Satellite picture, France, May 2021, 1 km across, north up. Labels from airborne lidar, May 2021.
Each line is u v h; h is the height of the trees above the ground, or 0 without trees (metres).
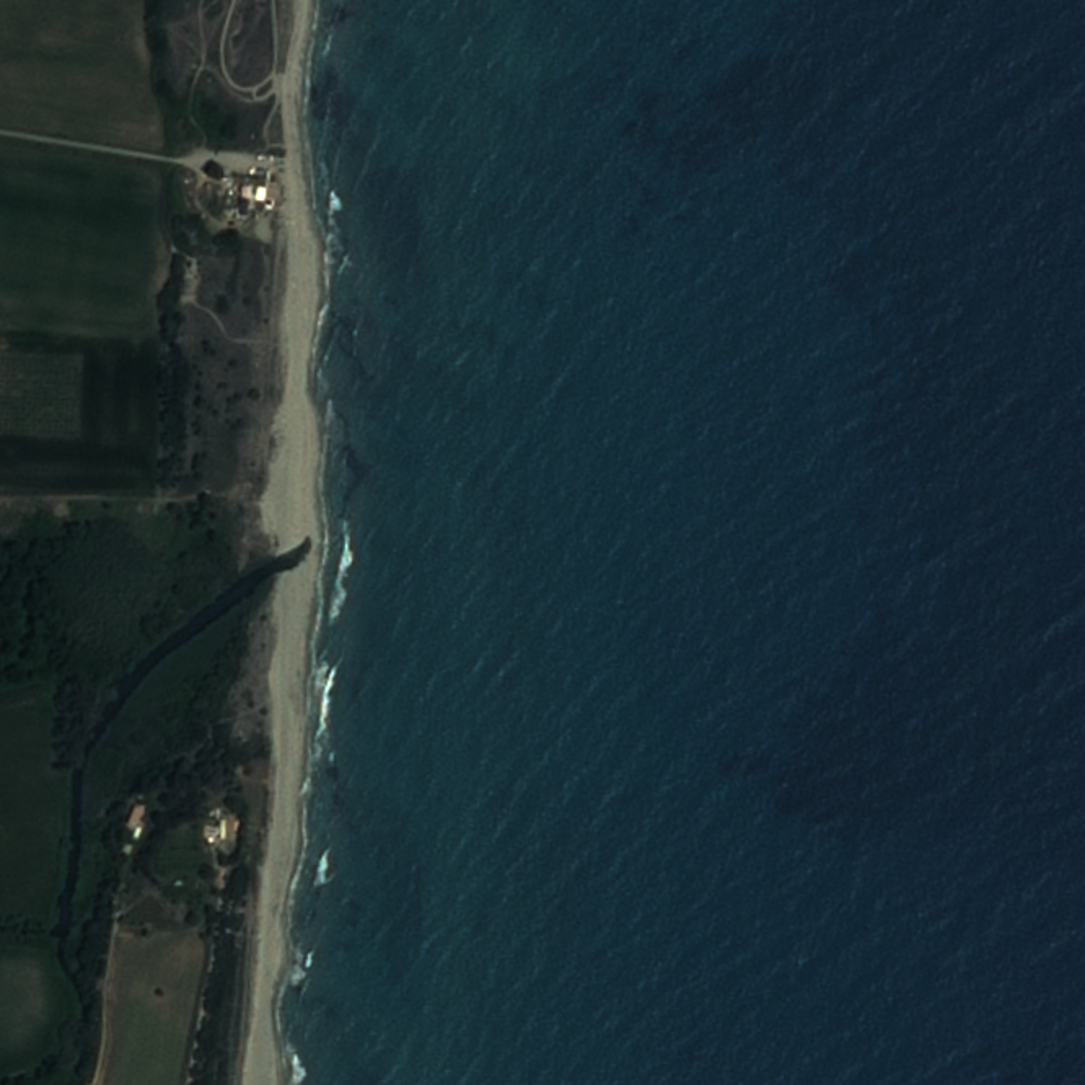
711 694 0
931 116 0
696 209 0
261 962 0
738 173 0
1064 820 0
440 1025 0
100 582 6
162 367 6
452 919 0
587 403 0
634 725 0
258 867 0
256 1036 0
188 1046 0
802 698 0
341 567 0
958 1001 0
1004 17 0
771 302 0
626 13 0
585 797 0
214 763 9
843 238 0
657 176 0
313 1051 0
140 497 0
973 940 0
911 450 0
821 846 0
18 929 8
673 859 0
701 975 0
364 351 0
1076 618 0
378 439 0
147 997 0
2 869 0
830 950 0
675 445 0
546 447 0
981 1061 0
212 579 7
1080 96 0
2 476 0
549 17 0
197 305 0
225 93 0
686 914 0
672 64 0
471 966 0
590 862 0
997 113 0
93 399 0
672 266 0
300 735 0
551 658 0
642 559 0
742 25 0
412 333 0
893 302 0
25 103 0
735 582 0
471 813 0
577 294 0
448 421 0
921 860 0
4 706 6
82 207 0
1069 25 0
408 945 0
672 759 0
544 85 0
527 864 0
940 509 0
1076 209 0
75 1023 6
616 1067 0
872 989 0
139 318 0
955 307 0
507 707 0
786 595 0
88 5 0
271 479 0
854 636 0
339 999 0
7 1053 0
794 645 0
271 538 0
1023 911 0
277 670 0
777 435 0
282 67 0
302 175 0
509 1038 0
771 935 0
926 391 0
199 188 0
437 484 0
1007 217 0
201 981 0
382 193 0
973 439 0
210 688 10
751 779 0
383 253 0
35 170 0
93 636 9
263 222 0
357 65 0
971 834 0
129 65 0
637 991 0
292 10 0
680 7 0
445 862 0
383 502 0
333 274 0
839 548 0
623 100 0
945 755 0
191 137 0
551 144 0
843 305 0
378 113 0
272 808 0
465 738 0
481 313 0
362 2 0
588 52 0
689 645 0
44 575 10
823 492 0
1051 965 0
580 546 0
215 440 0
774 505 0
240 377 0
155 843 7
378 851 0
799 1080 0
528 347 0
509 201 0
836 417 0
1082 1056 0
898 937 0
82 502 0
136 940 0
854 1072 0
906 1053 0
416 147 0
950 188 0
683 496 0
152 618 10
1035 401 0
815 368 0
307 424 0
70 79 0
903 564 0
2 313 0
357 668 0
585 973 0
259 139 0
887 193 0
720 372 0
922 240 0
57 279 0
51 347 0
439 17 0
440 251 0
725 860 0
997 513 0
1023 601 0
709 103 0
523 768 0
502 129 0
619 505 0
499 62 0
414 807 0
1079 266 0
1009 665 0
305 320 0
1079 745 0
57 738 17
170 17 0
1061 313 0
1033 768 0
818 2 0
